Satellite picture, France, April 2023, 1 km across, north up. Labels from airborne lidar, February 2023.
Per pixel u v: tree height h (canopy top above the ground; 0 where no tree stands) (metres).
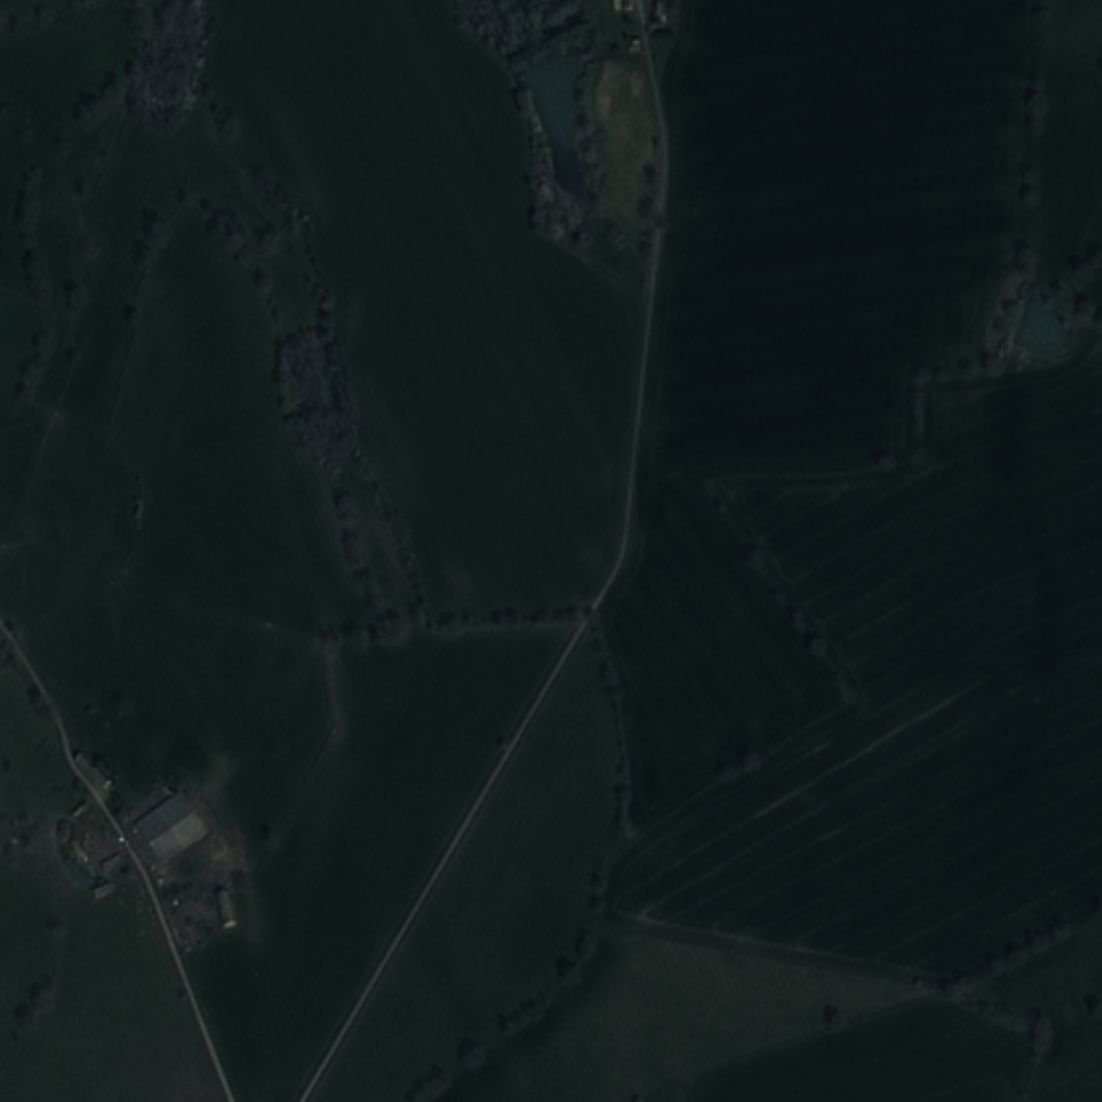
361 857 0
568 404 0
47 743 0
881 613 0
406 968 0
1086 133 0
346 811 0
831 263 0
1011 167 0
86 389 0
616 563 0
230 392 0
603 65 0
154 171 0
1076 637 0
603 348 0
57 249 0
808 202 0
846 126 0
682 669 0
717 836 0
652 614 0
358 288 0
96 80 0
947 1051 0
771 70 0
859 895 0
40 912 0
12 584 0
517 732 0
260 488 0
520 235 0
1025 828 0
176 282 0
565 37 15
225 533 0
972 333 0
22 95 0
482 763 0
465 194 0
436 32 0
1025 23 0
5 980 0
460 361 0
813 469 0
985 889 0
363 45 0
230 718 0
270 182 15
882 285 0
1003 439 0
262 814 0
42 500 0
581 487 0
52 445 0
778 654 0
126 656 0
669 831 0
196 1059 0
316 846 0
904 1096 0
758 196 0
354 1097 0
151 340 0
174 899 10
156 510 0
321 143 0
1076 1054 0
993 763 0
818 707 0
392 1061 0
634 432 0
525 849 0
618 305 0
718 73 0
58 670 0
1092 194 0
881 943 0
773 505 0
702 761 0
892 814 0
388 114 0
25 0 0
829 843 0
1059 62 0
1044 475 0
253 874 0
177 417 0
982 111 0
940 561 0
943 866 0
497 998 0
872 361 0
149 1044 0
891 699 0
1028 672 0
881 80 0
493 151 0
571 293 0
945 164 0
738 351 0
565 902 0
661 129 0
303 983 0
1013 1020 17
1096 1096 0
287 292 0
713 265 0
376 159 0
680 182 0
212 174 0
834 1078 0
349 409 20
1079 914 0
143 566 0
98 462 0
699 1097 0
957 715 0
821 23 0
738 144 0
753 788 0
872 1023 0
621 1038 0
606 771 0
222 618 0
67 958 0
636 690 0
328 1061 0
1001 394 0
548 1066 0
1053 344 0
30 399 14
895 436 0
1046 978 0
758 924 0
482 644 0
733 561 0
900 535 0
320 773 0
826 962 0
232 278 0
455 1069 0
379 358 0
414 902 0
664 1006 0
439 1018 0
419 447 0
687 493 0
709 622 0
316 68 0
